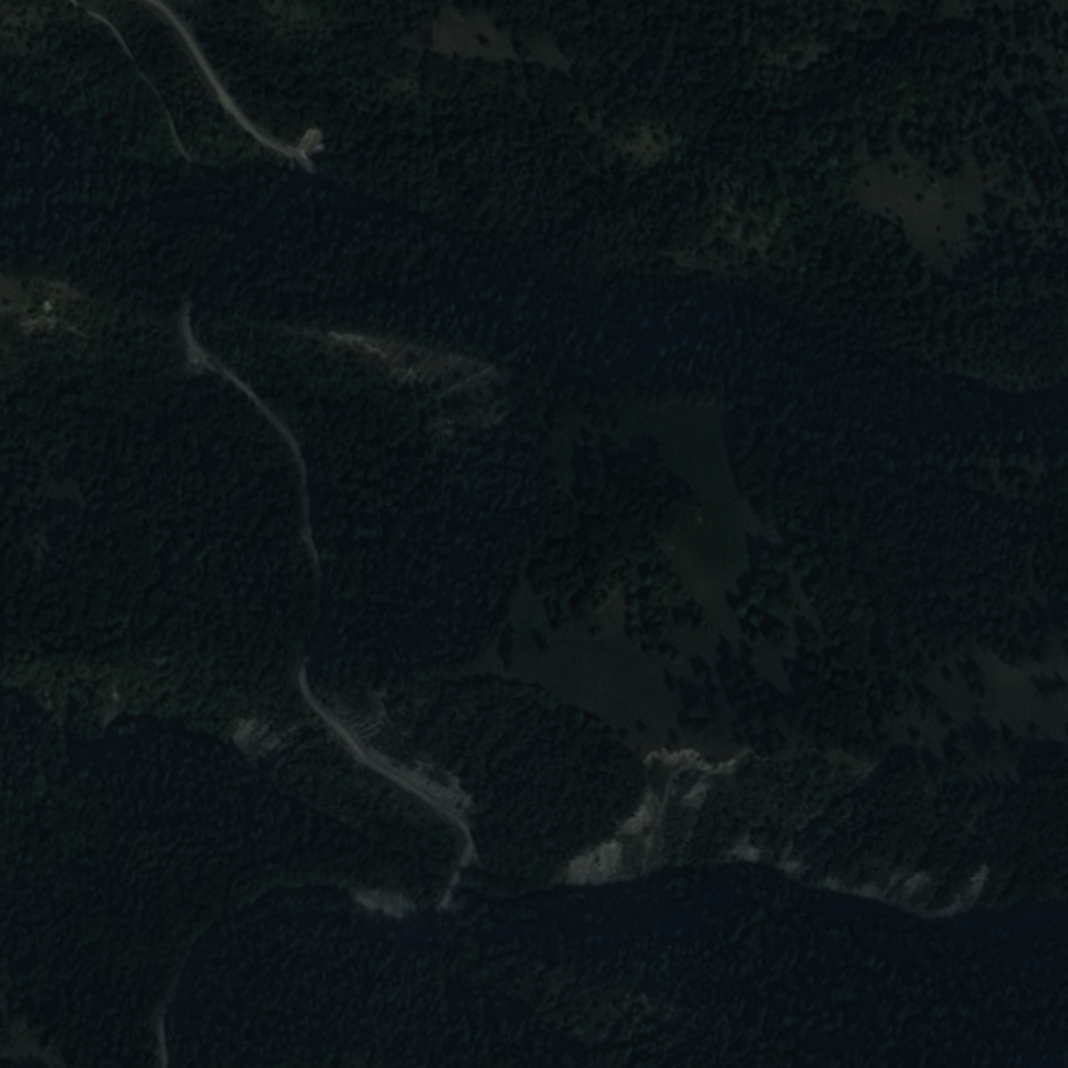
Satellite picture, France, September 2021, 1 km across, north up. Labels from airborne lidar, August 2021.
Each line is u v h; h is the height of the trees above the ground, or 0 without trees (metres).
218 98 0
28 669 12
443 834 11
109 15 8
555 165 28
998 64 7
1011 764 0
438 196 23
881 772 8
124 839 22
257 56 12
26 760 10
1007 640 26
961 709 0
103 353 9
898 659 14
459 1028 31
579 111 7
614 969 26
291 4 8
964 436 19
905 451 19
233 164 11
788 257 13
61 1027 27
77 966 17
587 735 15
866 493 20
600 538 20
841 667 14
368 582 17
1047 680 0
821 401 14
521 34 19
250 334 12
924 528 25
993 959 16
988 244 13
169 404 18
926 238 0
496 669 0
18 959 11
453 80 21
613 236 23
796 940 12
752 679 21
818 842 14
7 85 21
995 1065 8
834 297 17
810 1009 24
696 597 0
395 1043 20
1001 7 0
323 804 10
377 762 0
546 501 29
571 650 0
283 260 27
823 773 12
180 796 25
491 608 22
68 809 11
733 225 17
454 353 12
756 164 11
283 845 16
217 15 9
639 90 14
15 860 18
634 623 10
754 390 15
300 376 10
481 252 15
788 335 17
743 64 16
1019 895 13
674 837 6
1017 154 8
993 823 10
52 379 14
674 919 8
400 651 25
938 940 7
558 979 11
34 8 12
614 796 23
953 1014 20
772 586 15
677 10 19
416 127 19
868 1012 12
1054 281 20
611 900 10
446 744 12
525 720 16
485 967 14
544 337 8
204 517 20
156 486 14
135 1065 22
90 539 21
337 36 9
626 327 9
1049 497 13
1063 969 15
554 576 16
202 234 27
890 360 18
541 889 6
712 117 10
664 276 15
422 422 17
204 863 20
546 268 14
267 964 25
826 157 13
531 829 10
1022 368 26
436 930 13
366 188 17
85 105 13
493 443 9
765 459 23
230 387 6
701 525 0
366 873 16
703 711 22
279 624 22
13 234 23
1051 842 10
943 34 16
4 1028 18
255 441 17
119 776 24
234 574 19
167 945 17
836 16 23
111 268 22
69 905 16
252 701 14
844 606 16
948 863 18
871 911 9
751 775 14
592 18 10
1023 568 30
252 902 11
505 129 21
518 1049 19
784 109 8
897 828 14
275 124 8
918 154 21
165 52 15
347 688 14
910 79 17
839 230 19
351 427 20
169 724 11
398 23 14
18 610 19
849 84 20
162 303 25
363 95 8
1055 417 10
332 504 23
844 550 13
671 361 12
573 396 20
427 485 15
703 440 0
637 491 14
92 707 13
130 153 17
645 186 16
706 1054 16
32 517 6
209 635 19
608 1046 8
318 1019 15
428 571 25
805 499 26
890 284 21
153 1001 11
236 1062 21
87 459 18
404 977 20
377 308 31
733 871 10
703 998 14
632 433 0
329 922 12
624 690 0
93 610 23
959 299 17
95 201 22
